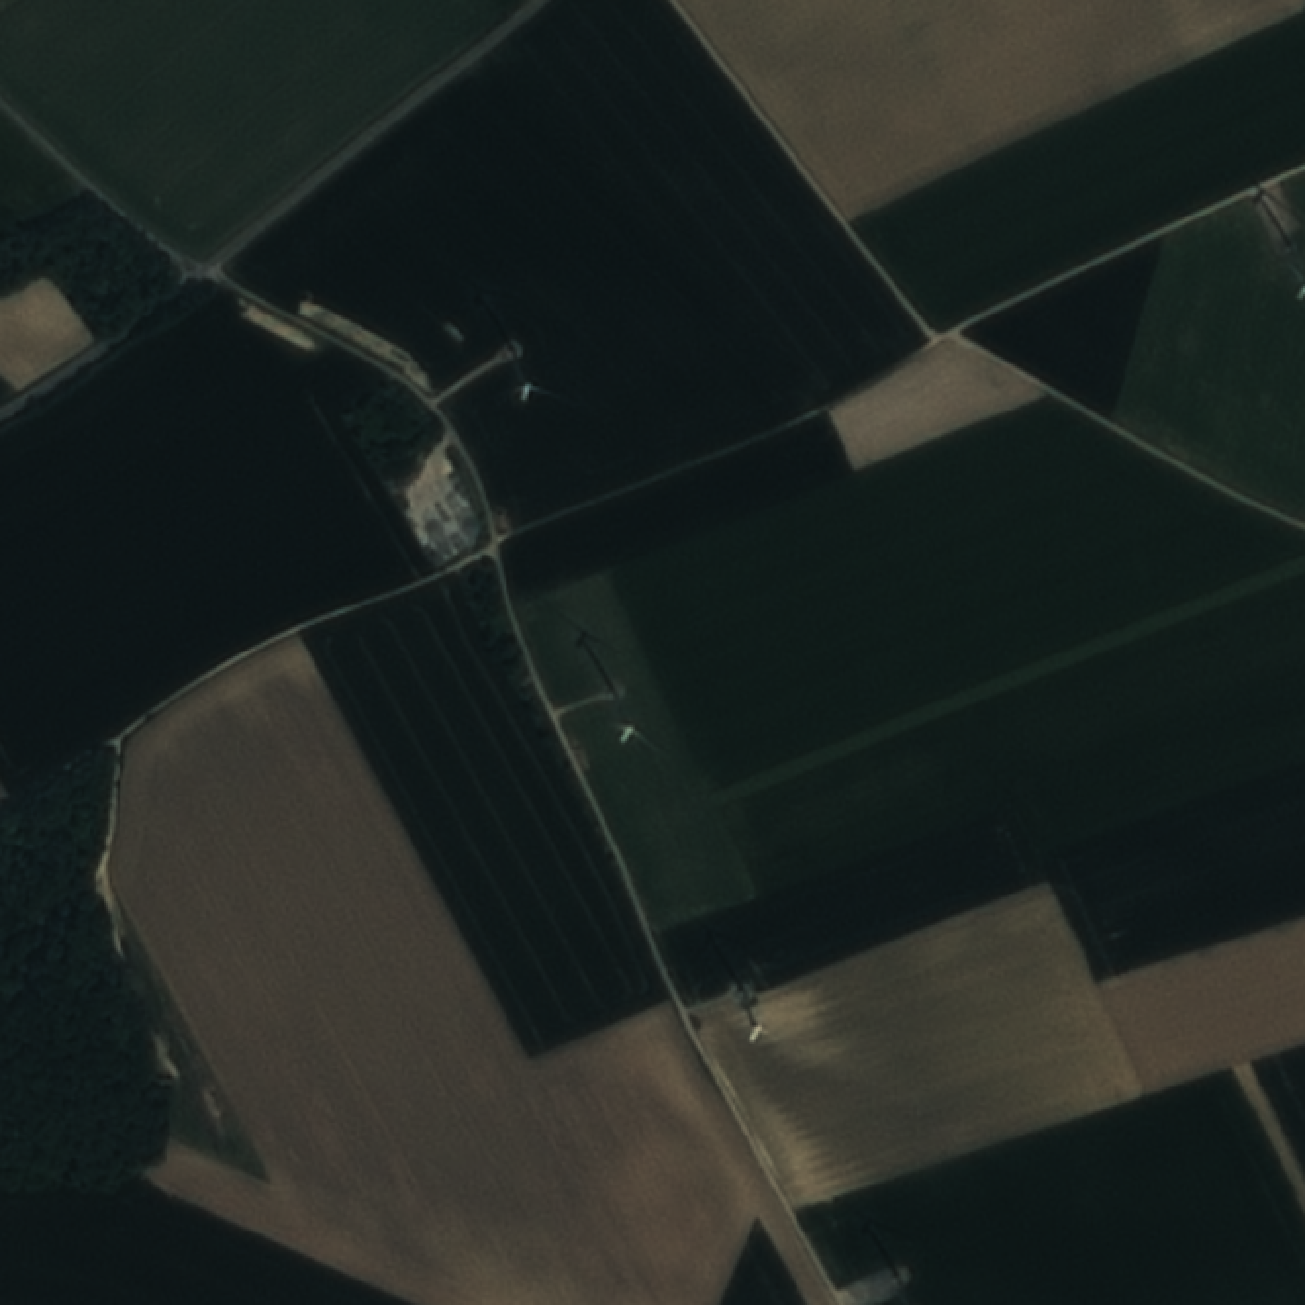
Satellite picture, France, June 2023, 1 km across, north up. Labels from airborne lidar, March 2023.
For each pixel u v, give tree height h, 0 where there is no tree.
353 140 0
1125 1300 0
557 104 0
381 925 0
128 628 0
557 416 0
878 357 0
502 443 0
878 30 0
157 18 0
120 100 0
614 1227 0
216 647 0
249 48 0
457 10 0
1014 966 0
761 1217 0
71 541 0
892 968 0
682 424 0
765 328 0
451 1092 0
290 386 0
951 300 0
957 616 0
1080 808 0
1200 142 0
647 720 0
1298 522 0
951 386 0
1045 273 0
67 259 10
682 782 0
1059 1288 0
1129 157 0
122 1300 0
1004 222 0
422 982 0
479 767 0
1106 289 0
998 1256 0
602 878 0
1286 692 0
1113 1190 0
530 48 0
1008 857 0
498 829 0
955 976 0
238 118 0
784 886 0
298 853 0
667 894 0
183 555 0
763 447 0
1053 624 0
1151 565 0
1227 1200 0
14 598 0
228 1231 0
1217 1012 0
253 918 0
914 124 0
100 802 9
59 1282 0
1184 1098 0
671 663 0
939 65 0
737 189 0
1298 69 0
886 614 0
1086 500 0
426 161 0
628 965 0
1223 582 0
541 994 0
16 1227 0
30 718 0
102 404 0
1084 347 0
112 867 0
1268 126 0
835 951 0
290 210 0
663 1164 0
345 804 0
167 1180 0
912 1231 0
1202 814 0
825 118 0
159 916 0
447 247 0
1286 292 0
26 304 0
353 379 0
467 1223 0
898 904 0
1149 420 0
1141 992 0
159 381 0
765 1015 0
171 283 15
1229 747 0
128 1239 0
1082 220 0
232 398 0
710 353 0
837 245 0
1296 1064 0
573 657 0
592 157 0
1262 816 0
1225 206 0
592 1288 0
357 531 0
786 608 0
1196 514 0
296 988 0
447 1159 0
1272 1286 0
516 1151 0
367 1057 0
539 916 0
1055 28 0
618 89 0
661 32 0
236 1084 0
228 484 0
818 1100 0
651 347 0
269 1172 0
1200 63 0
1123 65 0
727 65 0
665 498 0
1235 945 0
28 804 16
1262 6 0
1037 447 0
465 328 0
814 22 0
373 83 0
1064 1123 0
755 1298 0
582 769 0
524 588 0
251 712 0
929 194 0
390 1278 0
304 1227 0
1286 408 0
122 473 0
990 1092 0
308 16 0
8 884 24
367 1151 0
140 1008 17
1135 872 0
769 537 0
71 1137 18
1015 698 0
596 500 0
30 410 8
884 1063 0
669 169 0
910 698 0
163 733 0
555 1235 0
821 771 0
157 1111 17
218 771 0
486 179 0
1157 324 0
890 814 0
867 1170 0
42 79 0
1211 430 0
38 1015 21
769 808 0
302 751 0
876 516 0
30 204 0
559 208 0
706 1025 0
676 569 0
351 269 0
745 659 0
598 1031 0
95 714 0
